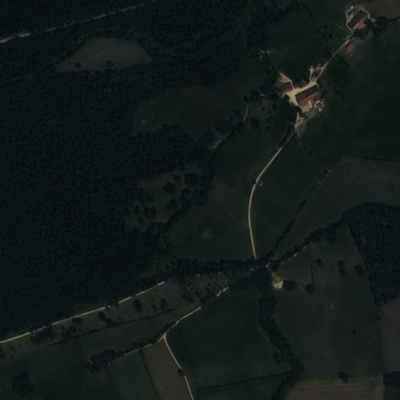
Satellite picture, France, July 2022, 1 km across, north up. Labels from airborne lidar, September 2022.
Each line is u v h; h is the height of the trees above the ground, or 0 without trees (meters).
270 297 21
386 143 0
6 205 27
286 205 0
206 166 12
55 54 18
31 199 24
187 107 0
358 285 0
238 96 0
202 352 0
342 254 0
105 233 16
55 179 18
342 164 0
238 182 0
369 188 0
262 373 0
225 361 0
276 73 17
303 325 0
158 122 0
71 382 0
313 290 16
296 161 0
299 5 23
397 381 25
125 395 0
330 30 0
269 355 0
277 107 14
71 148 19
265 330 16
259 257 0
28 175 22
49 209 18
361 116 0
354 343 0
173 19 8
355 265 0
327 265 0
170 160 11
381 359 0
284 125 0
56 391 0
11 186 28
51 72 18
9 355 0
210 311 0
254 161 0
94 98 26
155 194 0
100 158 27
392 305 0
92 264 15
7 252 24
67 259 8
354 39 0
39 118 21
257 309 0
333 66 0
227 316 0
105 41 0
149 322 0
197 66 25
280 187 0
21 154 29
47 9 15
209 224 0
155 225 16
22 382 20
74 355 0
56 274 11
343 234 0
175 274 23
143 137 23
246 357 0
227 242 0
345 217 18
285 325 0
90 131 30
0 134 28
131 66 0
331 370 0
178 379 0
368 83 0
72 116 27
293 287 15
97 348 0
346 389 0
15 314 21
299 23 0
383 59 0
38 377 0
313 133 0
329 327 0
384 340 0
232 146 0
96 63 0
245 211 0
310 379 0
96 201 26
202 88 0
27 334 0
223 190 0
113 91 35
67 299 17
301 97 0
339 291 0
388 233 28
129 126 18
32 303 23
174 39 20
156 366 0
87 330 0
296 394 0
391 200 0
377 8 0
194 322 0
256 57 17
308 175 0
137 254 13
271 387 0
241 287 22
